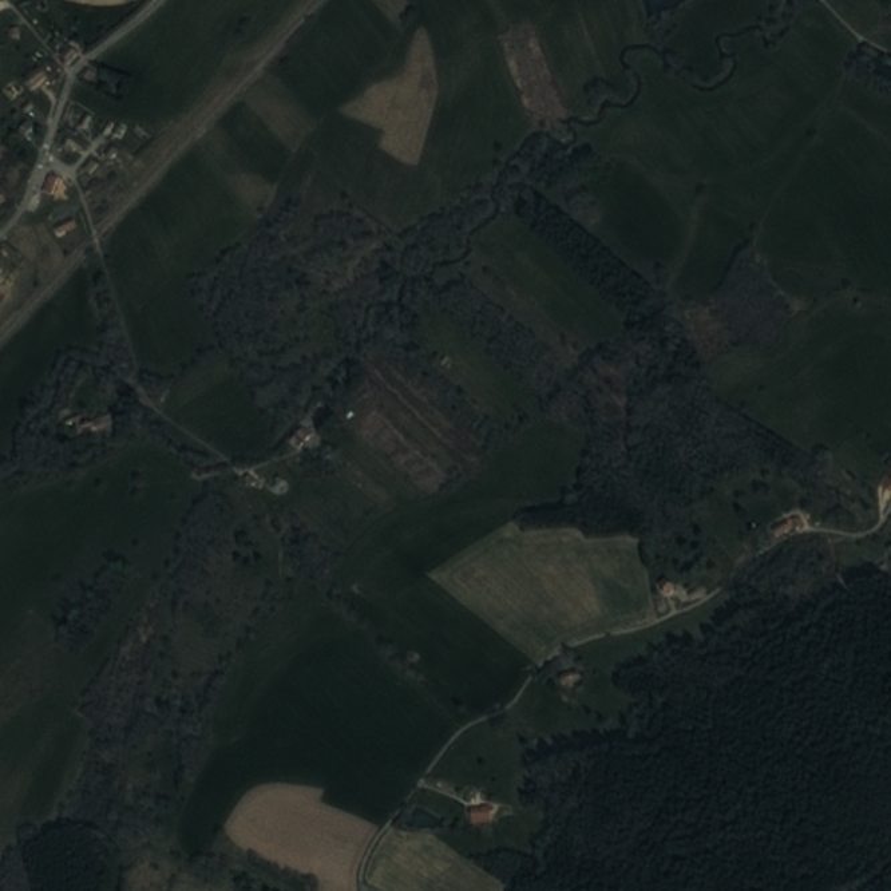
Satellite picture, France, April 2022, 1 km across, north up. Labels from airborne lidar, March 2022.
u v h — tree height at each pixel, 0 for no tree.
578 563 0
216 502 15
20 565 0
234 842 0
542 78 0
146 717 19
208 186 0
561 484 0
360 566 0
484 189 14
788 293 0
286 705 0
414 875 0
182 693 12
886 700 19
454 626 0
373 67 0
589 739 0
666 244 0
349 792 0
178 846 0
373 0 0
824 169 0
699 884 20
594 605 0
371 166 0
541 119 0
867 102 0
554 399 12
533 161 19
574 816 16
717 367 0
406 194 0
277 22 0
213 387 0
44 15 0
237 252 9
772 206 0
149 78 0
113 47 0
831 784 27
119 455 9
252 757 0
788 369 0
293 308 0
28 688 0
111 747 9
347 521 0
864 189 0
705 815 21
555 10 0
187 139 0
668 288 12
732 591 8
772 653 22
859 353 0
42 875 19
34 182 0
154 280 0
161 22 0
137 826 22
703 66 0
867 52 9
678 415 19
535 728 0
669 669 20
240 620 0
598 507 17
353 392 19
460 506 0
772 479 19
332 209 0
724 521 0
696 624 0
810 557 8
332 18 0
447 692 0
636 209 0
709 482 14
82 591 0
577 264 24
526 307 0
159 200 0
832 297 0
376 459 0
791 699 24
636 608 0
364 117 0
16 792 0
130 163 0
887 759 17
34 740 0
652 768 22
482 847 0
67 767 0
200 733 17
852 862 15
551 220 22
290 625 0
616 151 0
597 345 0
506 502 0
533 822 0
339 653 0
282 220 11
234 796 0
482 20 0
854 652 29
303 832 0
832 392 0
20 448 17
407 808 9
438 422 0
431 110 0
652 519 21
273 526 0
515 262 0
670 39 9
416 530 0
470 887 0
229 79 0
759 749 20
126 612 0
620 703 0
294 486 0
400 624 0
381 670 0
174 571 12
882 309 0
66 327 0
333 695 0
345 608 19
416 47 0
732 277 15
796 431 0
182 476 0
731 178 0
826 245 0
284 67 11
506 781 0
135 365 13
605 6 0
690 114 0
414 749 0
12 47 0
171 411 0
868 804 14
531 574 0
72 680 0
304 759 0
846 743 19
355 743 0
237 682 0
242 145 0
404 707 0
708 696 17
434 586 0
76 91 0
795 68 0
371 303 12
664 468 18
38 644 0
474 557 0
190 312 0
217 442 0
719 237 0
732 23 0
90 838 26
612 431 23
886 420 0
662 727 23
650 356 21
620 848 20
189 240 0
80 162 0
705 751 19
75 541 0
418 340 14
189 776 19
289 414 24
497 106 0
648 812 21
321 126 0
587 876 22
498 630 0
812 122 0
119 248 0
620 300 21
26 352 0
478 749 0
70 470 12
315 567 15
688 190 0
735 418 19
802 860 24
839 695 21
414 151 0
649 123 0
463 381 0
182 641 0
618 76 0
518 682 0
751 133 0
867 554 0
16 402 0
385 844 0
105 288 16
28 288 0
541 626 0
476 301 20
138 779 0
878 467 0
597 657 0
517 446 0
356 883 0
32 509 0
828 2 0
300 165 0
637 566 0
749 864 22
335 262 23
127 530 0
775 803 25
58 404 7
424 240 16
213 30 0
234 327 14
